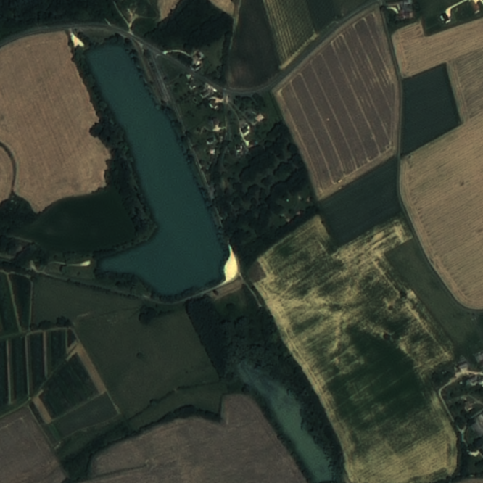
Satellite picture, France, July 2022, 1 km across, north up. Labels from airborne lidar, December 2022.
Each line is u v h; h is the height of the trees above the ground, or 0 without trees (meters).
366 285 0
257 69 0
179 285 0
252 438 0
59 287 0
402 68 0
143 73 29
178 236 0
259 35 0
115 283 0
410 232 0
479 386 7
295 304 0
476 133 0
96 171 0
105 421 0
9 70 0
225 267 0
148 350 0
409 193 0
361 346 0
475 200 0
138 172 0
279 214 11
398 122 0
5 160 0
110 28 0
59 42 0
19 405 0
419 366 0
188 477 0
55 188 0
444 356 0
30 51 0
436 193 0
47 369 0
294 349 0
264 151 15
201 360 0
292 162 17
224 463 0
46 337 0
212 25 16
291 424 0
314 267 0
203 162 14
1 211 10
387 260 0
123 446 0
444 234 0
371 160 0
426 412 0
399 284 0
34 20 14
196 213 0
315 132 0
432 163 0
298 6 0
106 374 0
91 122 0
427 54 0
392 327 0
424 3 0
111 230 0
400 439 0
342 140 0
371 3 0
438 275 0
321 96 0
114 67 0
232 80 0
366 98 0
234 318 0
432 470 0
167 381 0
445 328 0
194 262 0
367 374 0
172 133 0
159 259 0
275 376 21
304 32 0
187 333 0
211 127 0
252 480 0
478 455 0
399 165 0
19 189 0
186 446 0
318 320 0
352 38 0
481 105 0
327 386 0
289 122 0
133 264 0
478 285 0
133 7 0
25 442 0
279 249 0
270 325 7
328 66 0
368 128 0
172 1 0
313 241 0
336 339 0
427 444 0
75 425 0
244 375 0
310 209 13
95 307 0
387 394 0
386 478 0
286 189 21
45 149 0
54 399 0
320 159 0
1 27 9
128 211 8
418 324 0
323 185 0
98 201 0
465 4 0
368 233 0
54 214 0
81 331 0
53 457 0
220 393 0
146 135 0
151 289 10
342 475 20
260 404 6
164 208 0
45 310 0
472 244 0
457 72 0
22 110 0
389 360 0
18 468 0
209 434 0
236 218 11
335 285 0
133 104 0
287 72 0
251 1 0
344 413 0
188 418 13
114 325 0
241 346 24
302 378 11
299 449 0
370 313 0
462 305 0
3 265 15
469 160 0
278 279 0
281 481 0
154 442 0
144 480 0
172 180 0
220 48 0
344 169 0
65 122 0
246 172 16
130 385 0
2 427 0
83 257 7
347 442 0
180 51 0
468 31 0
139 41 0
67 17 20
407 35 0
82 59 9
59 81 0
